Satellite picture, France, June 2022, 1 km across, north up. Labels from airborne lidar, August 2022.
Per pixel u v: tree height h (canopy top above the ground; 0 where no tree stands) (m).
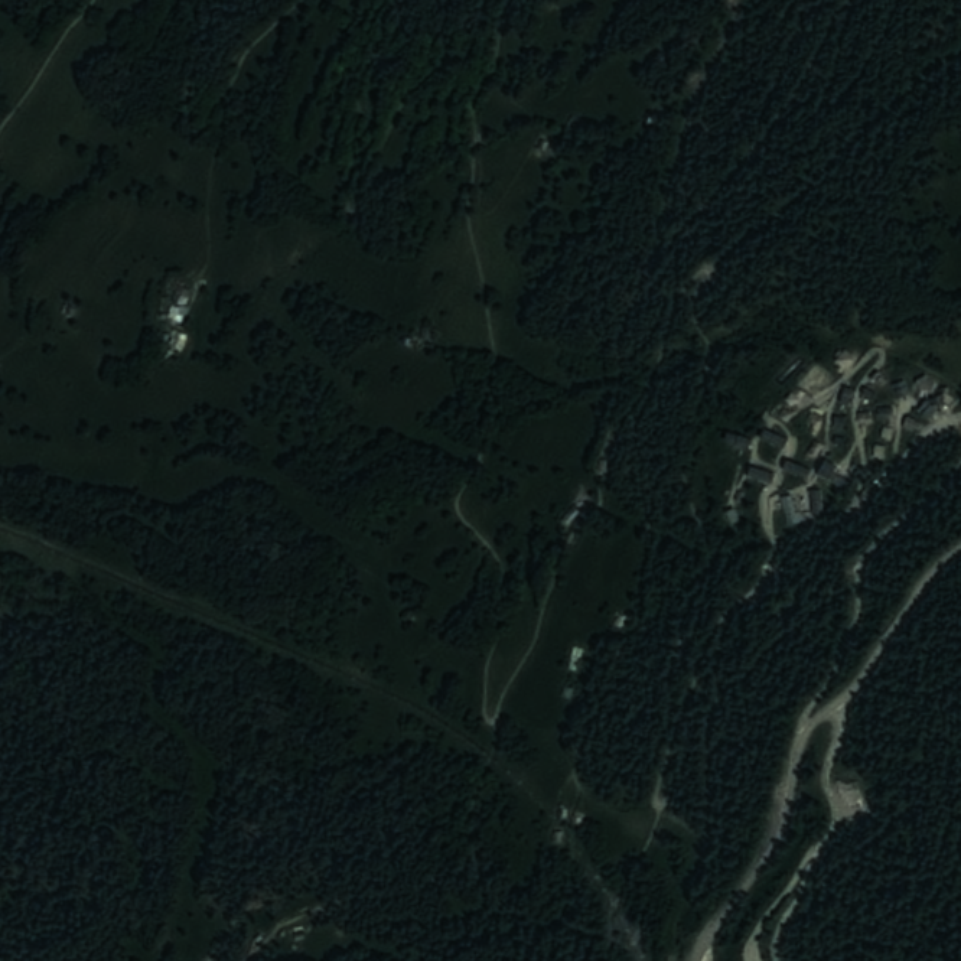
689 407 23
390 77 27
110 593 8
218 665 29
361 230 26
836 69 18
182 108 13
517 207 0
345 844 29
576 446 0
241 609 15
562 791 0
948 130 18
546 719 0
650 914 10
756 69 22
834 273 22
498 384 20
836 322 15
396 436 16
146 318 8
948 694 20
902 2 12
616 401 15
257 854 20
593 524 19
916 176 22
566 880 16
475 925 24
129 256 0
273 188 25
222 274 0
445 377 0
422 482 19
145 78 18
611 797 22
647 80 23
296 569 28
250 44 10
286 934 0
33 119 0
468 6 25
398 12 15
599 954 19
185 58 19
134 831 20
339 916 21
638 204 28
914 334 22
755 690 26
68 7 12
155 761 18
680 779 17
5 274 16
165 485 0
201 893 12
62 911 18
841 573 19
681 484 10
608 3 0
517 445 0
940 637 26
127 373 14
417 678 0
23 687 8
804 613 16
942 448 23
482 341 0
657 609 6
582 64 0
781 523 0
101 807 24
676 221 27
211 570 20
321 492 19
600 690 17
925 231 21
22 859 10
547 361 0
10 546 0
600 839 12
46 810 25
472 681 0
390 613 0
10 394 15
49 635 28
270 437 0
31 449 0
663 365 9
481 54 17
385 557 0
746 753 30
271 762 14
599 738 20
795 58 17
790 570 21
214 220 0
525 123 23
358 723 7
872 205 19
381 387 0
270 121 16
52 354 15
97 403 0
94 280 0
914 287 24
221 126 21
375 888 20
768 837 0
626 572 0
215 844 28
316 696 22
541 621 0
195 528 24
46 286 0
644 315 21
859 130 10
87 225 0
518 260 0
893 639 11
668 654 15
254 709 13
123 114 15
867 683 10
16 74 0
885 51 17
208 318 0
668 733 25
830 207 26
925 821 21
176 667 18
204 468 0
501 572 15
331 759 21
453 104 15
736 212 17
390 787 24
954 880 27
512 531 16
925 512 28
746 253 22
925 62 11
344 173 9
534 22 25
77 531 20
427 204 16
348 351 13
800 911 11
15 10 12
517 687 0
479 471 24
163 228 0
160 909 30
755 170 25
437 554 0
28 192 0
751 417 9
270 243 0
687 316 21
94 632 24
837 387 0
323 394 16
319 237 0
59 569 0
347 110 18
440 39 26
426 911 23
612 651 17
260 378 0
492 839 15
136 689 11
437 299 0
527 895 24
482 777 14
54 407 0
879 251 21
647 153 18
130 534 21
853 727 13
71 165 0
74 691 16
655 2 24
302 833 23
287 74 18
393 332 13
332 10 23
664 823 0
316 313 22
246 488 22
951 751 20
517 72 16
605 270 15
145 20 18
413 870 24
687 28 27
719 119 23
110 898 26
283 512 13
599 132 26
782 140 23
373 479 23
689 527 27
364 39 16
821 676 24
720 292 16
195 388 0
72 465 0
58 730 18
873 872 25
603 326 30
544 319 24
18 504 21
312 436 17
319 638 10
